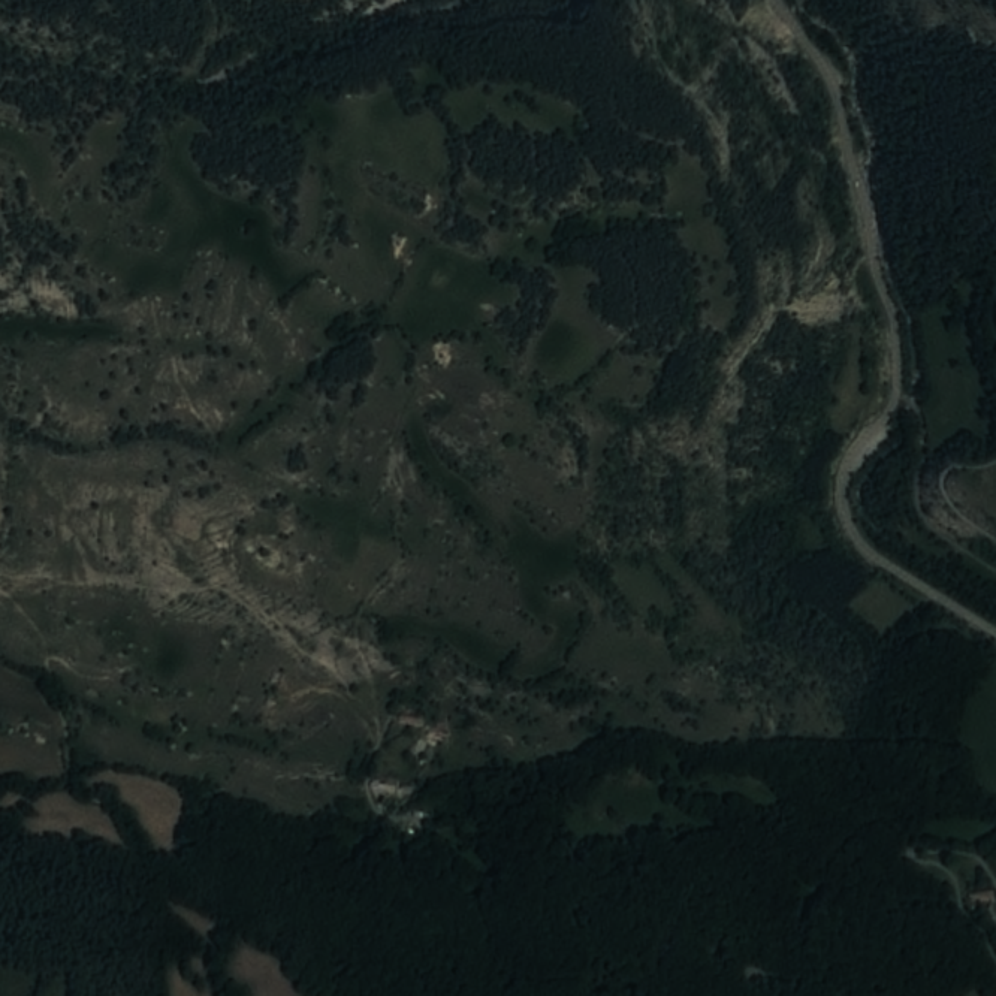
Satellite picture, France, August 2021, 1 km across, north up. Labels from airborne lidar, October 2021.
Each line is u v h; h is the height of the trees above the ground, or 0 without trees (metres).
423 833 9
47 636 0
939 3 7
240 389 0
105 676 0
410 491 0
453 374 0
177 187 0
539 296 10
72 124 8
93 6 12
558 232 11
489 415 0
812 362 7
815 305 0
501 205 8
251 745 9
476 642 0
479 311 0
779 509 8
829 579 15
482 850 20
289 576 0
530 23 12
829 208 8
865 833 22
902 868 25
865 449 0
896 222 16
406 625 0
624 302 12
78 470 0
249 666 0
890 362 0
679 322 9
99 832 0
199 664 0
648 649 0
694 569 9
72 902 22
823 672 7
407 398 0
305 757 0
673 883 24
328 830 18
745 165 8
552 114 0
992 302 11
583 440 7
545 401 9
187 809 10
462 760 0
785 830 22
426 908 25
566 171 12
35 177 0
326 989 22
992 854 11
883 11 11
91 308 9
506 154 12
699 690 0
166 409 9
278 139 15
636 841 27
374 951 28
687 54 8
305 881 29
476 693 0
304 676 0
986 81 17
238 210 0
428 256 0
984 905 9
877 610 0
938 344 0
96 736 0
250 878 27
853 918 27
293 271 0
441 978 23
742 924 15
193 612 0
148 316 0
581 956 25
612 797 0
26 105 8
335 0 11
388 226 0
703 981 24
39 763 0
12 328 0
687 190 0
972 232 9
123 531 0
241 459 0
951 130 21
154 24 12
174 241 0
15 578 0
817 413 9
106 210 0
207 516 0
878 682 20
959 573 20
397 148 0
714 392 8
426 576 0
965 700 12
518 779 22
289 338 0
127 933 18
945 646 24
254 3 12
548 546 0
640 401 11
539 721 8
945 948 24
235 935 19
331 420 8
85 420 0
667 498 9
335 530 0
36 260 7
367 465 0
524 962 28
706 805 21
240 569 0
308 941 25
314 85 12
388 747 8
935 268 12
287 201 9
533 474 0
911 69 12
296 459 10
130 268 0
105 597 0
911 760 25
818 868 18
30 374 0
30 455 0
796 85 10
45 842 17
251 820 24
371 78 12
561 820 12
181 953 15
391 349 0
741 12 6
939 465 7
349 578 0
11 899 35
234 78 13
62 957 23
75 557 0
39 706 0
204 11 13
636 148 12
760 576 13
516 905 25
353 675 0
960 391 0
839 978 24
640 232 12
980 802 19
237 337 0
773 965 22
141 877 16
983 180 18
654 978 26
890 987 25
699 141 7
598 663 0
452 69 16
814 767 27
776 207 16
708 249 0
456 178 9
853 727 10
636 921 20
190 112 13
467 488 0
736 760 19
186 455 0
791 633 13
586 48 11
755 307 7
